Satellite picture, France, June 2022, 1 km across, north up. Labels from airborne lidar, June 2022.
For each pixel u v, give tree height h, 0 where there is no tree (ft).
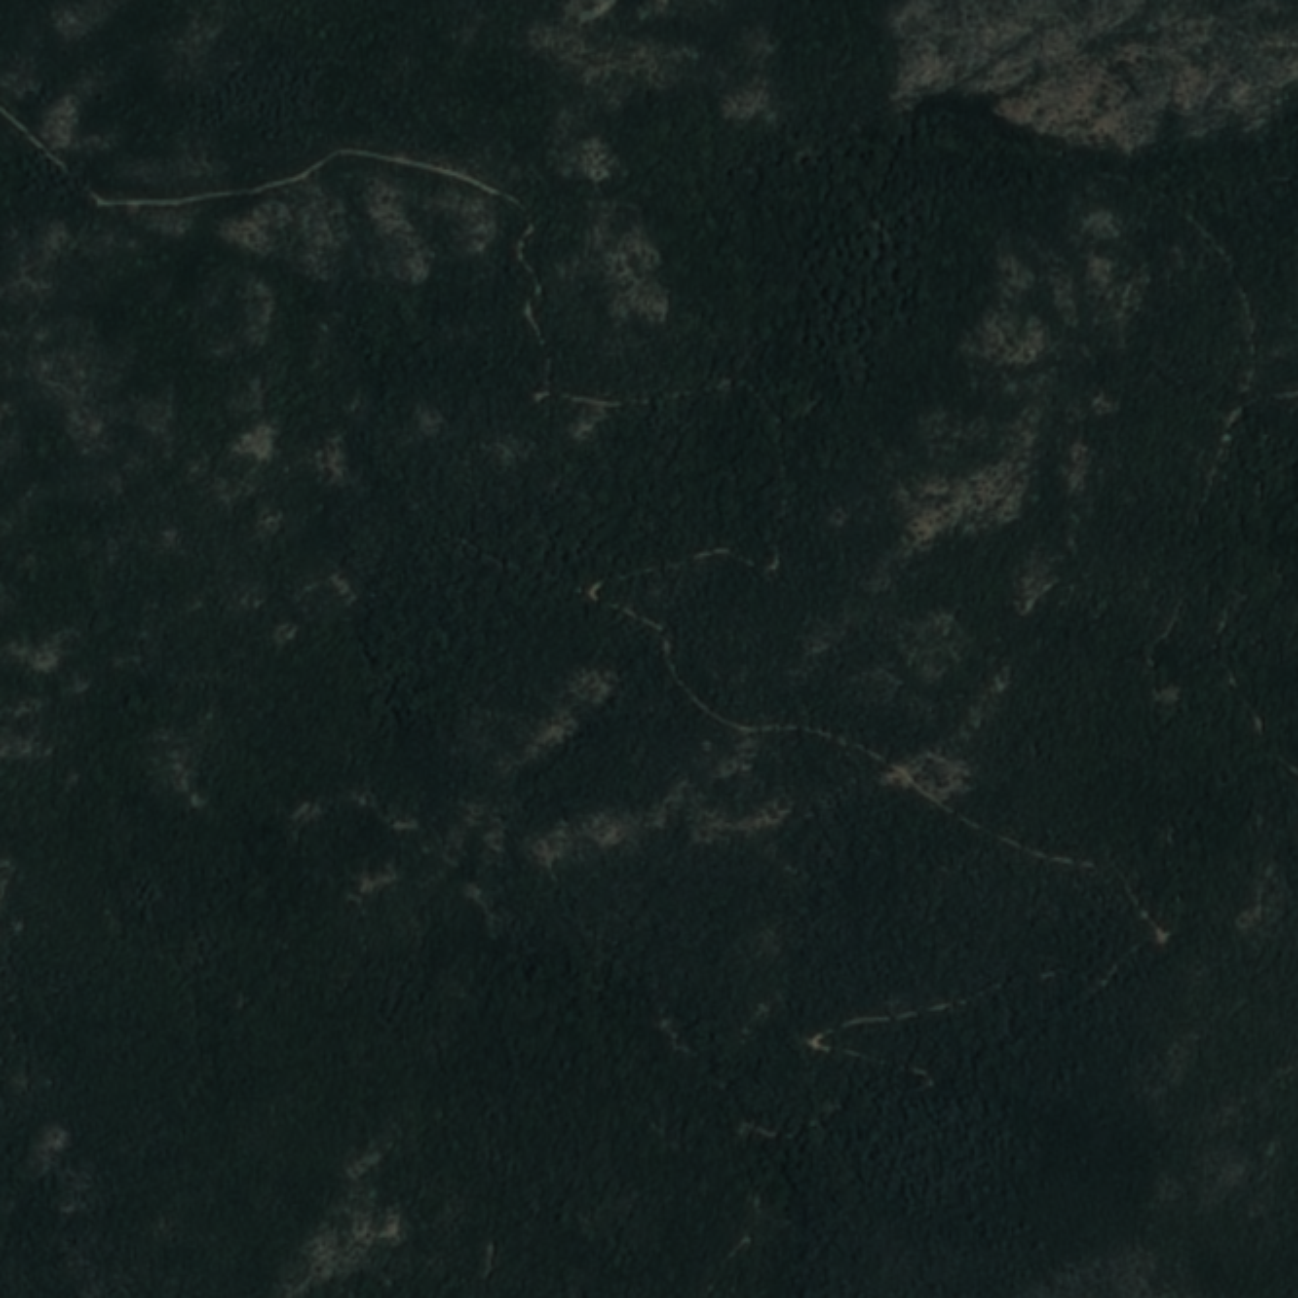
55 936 26
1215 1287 19
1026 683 20
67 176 37
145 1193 30
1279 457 46
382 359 26
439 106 20
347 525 21
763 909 29
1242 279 35
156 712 38
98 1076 20
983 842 23
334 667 32
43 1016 44
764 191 52
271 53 22
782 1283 25
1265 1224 32
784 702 22
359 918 24
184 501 20
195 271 17
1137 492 35
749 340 25
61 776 24
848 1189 39
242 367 21
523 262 18
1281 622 30
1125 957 33
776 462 20
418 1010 36
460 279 19
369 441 24
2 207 23
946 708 23
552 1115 30
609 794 20
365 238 20
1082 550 26
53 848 33
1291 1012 21
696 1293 27
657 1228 35
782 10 24
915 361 30
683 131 40
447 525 26
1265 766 21
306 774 48
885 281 52
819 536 25
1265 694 35
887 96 23
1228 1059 29
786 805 17
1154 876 26
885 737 30
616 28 21
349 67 31
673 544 22
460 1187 32
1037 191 27
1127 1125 20
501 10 17
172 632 23
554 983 51
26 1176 18
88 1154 19
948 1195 25
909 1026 26
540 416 27
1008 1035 52
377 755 33
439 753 22
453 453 25
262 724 26
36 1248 22
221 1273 18
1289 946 23
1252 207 31
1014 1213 23
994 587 41
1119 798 28
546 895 32
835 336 36
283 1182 19
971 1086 18
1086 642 21
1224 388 31
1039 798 21
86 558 23
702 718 18
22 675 26
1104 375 30
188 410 31
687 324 26
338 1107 21
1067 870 19
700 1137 28
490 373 23
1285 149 43
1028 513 25
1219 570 41
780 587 27
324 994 31
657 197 35
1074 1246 20
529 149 20
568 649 23
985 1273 25
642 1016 19
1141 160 23
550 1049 40
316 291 19
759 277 26
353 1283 29
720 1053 33
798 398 36
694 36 21
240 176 18
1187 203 32
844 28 27
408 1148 33
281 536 36
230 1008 31
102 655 20
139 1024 24
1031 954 24
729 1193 31
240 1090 21
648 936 24
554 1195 29
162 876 34
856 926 25
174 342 18
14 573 26
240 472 22
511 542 35
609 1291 27
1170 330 28
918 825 21
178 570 29
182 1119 25
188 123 28
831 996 21
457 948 21
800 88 23
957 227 24
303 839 22
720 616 19
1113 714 33
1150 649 44
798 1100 33
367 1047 24
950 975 27
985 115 20
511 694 31
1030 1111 19
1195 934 30
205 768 28
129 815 20
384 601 26
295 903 35
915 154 36
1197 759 34
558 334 25
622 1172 34
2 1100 17
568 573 31
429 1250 26
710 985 25
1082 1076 19
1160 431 27
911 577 26
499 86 28
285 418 21
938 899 26
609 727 24
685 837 22
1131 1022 20
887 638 22
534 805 24
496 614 38
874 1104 24
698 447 39
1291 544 26
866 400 27
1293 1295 38
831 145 35
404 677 49
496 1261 28
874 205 35
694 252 36
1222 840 31
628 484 23
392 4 23
